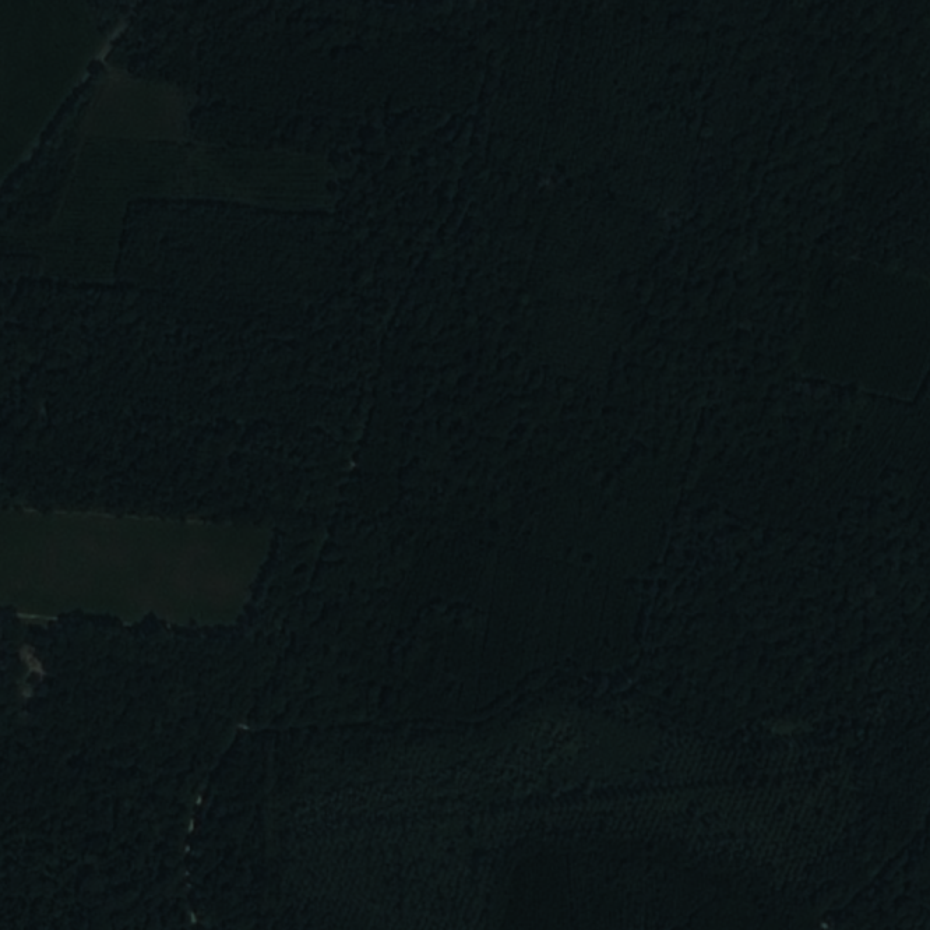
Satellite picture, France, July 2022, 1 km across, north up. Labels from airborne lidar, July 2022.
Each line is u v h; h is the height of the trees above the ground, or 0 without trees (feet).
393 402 39
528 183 51
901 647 51
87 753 47
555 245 46
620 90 47
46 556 0
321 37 58
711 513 87
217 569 0
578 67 42
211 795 43
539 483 49
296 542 63
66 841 53
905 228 69
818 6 76
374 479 42
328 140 49
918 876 74
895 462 42
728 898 41
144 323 73
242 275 53
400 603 36
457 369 74
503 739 19
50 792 65
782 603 57
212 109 39
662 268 67
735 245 79
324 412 61
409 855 73
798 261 64
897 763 54
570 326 48
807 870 60
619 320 50
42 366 46
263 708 70
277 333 63
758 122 58
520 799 23
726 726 80
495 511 43
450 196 69
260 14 78
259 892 87
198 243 53
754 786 88
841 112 77
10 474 90
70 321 77
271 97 48
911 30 84
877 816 73
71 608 0
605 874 35
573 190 45
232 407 62
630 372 73
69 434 61
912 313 18
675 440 55
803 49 56
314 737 52
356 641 45
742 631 68
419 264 41
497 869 72
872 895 67
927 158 59
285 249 52
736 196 57
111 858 49
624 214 53
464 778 41
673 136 48
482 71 57
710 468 37
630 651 32
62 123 45
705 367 74
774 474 47
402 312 40
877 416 46
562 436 67
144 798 50
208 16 60
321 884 92
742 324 63
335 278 43
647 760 21
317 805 47
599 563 33
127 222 37
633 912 43
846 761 54
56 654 77
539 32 38
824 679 79
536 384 68
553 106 44
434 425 80
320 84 46
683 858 49
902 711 55
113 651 69
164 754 57
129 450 66
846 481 43
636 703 26
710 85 41
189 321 76
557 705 19
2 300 50
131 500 54
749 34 73
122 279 22
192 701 68
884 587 82
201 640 81
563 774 21
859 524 78
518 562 40
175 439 60
